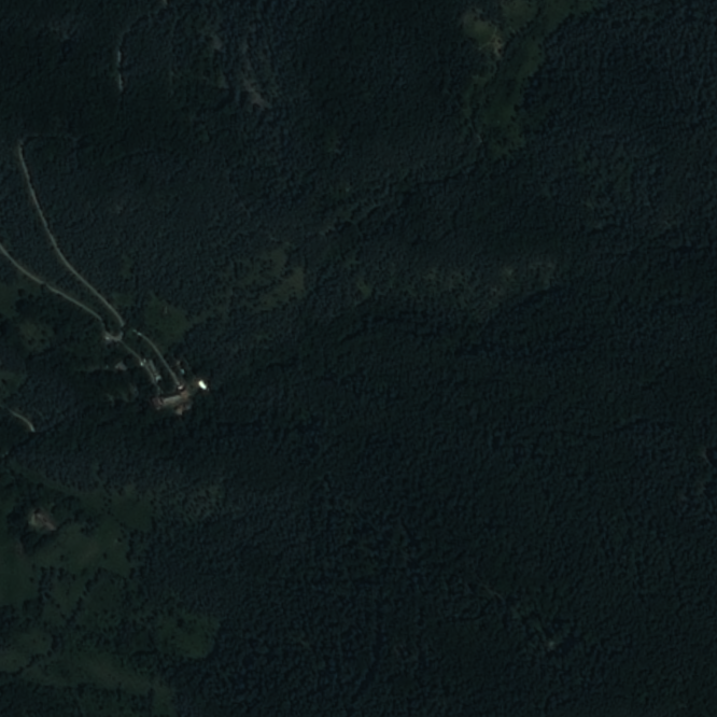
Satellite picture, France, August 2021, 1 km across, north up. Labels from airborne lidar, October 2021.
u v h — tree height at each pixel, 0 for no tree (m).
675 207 14
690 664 19
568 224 20
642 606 23
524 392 21
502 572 14
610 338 21
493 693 28
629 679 18
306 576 15
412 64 19
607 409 19
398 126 14
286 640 23
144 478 11
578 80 14
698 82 30
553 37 11
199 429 21
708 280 27
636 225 16
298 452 20
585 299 24
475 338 6
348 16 20
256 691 15
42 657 9
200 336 11
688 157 20
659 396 23
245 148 11
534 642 24
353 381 23
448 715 32
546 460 27
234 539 15
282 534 16
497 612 17
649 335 19
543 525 24
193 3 8
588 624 20
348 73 20
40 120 21
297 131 15
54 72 25
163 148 17
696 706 14
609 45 17
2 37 28
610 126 12
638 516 26
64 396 14
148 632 12
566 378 20
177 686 13
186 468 16
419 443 26
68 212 13
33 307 15
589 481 22
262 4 9
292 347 16
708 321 20
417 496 26
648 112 25
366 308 20
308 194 19
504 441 25
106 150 22
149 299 10
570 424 25
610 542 26
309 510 14
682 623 15
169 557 12
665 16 17
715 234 23
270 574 20
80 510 9
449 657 25
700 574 15
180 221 14
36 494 18
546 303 23
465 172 14
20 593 0
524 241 24
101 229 12
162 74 15
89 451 14
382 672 22
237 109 14
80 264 10
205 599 12
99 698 12
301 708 22
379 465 28
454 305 7
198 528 9
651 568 22
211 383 14
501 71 7
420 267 10
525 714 21
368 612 27
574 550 28
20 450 16
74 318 15
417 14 19
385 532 28
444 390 28
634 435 25
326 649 22
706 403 19
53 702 22
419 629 20
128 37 10
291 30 17
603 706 22
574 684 26
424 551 22
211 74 16
